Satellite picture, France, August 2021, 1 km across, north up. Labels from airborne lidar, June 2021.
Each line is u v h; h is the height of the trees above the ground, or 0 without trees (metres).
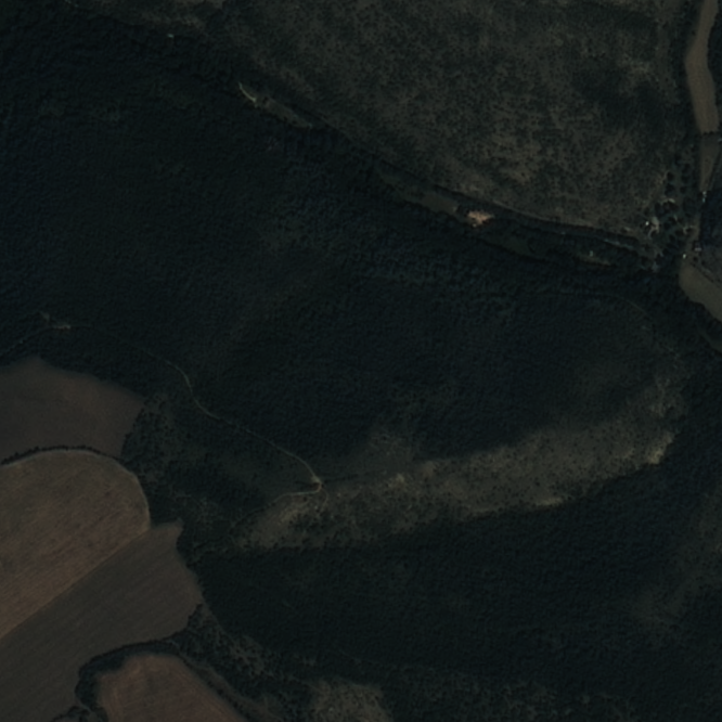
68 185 8
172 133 14
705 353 11
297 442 8
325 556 7
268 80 12
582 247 18
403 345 6
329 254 9
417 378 7
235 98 21
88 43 17
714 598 10
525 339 6
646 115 7
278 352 10
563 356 6
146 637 0
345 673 7
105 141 8
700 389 15
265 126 13
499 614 7
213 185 10
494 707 7
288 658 8
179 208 10
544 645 10
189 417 8
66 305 7
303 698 7
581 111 5
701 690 8
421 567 10
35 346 7
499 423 7
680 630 8
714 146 0
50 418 0
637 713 7
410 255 12
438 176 10
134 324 11
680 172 6
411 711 7
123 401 0
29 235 8
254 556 15
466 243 17
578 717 10
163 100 12
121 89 15
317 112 8
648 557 6
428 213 15
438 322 8
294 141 25
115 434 0
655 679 7
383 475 0
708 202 8
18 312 10
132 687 0
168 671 0
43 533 0
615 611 7
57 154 7
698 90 0
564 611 6
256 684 7
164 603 0
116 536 0
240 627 8
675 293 16
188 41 17
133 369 9
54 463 0
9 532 0
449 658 8
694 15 12
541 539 7
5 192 9
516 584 8
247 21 9
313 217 6
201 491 7
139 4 7
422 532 8
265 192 7
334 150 17
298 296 9
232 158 11
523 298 10
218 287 6
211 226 9
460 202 16
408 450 0
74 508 0
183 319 7
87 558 0
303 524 6
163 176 6
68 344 6
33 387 0
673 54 8
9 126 7
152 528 0
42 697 0
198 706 0
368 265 15
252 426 8
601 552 8
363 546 10
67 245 8
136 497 0
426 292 7
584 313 7
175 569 0
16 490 0
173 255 7
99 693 0
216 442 8
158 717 0
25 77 16
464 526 11
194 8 7
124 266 6
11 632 0
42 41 13
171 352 8
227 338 7
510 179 6
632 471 9
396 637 7
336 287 8
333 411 7
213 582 8
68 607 0
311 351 7
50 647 0
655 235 14
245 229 8
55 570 0
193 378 7
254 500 8
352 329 6
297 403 7
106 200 9
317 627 9
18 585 0
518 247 0
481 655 9
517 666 6
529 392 7
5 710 0
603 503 7
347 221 14
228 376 10
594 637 9
